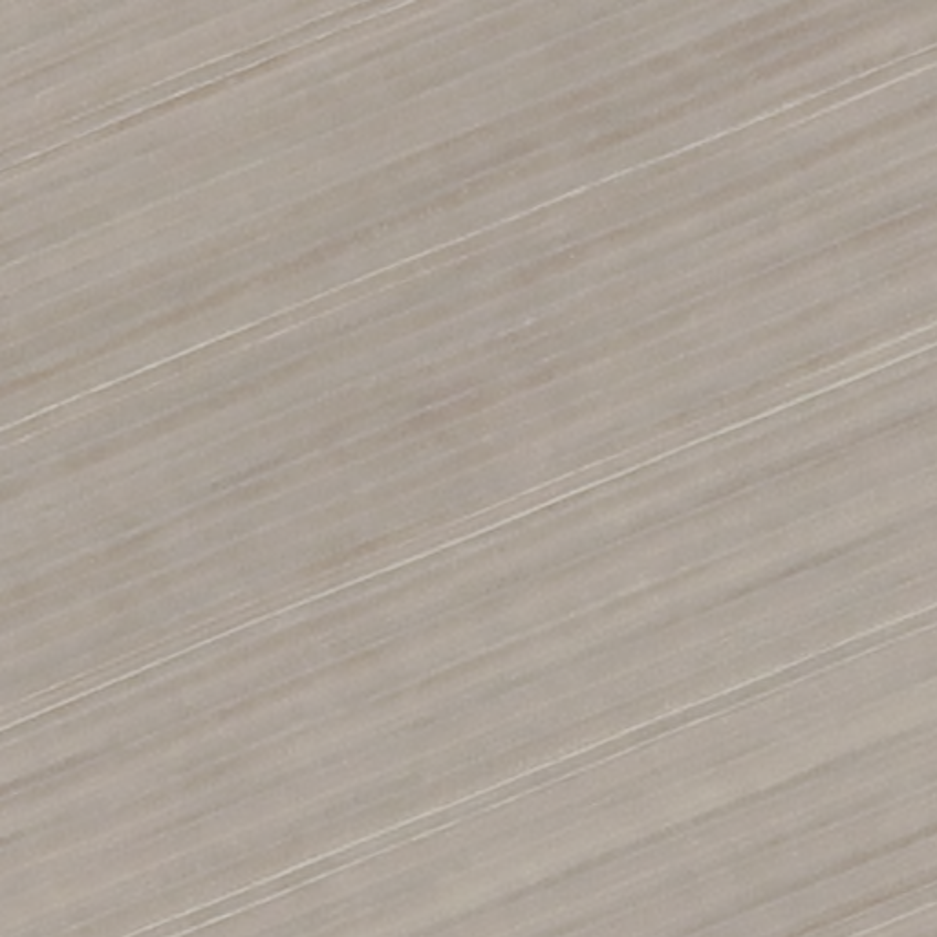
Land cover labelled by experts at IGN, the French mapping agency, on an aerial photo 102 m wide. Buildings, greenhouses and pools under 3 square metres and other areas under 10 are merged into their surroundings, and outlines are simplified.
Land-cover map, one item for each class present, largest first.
<instances>
[{"label":"agricultural land","instance_id":"1","mask_svg":"<svg viewBox=\"0 0 937 937\"><path fill-rule=\"evenodd\" d=\"M0 937H937V0H0Z\"/></svg>","mask_w":937,"mask_h":937}]
</instances>
